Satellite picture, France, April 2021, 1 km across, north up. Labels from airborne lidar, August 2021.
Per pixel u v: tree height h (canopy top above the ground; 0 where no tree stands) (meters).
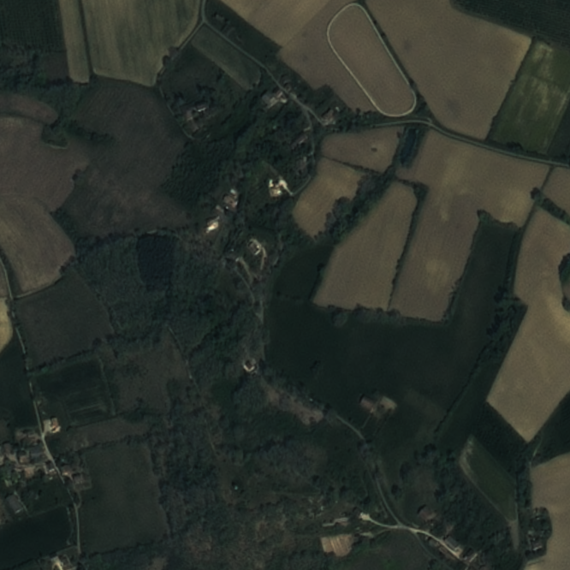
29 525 0
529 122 0
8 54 17
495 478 0
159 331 12
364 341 0
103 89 0
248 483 0
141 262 14
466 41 0
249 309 19
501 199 0
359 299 0
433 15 0
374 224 0
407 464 0
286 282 0
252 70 0
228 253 6
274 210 15
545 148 0
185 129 13
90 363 0
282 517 14
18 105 0
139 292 19
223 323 8
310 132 0
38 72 18
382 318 16
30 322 0
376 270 0
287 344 0
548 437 0
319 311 0
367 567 0
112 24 0
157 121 0
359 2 0
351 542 0
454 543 0
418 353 0
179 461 9
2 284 0
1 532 0
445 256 0
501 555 7
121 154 0
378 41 0
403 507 0
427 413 0
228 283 0
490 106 0
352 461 0
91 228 0
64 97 23
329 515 0
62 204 0
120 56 0
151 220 0
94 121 0
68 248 0
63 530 0
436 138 0
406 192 0
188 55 0
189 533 14
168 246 12
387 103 0
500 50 0
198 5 0
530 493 15
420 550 0
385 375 0
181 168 8
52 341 0
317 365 9
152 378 0
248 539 14
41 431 0
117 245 21
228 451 14
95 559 15
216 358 19
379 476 19
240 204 9
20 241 0
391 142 0
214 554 14
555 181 0
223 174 12
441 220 0
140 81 0
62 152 0
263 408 20
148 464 0
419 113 7
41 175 0
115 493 0
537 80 0
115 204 0
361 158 0
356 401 0
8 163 0
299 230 15
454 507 14
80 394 0
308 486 0
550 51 0
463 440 0
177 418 15
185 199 6
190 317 21
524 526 8
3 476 12
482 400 0
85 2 0
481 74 0
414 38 0
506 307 28
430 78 0
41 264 0
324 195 0
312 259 0
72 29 0
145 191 0
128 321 17
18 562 0
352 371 0
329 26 0
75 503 7
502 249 0
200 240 6
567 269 18
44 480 14
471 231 0
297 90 0
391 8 0
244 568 15
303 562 18
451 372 0
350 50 0
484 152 0
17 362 0
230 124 7
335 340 0
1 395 0
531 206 0
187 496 16
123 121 0
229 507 8
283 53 0
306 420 0
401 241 0
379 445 0
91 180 0
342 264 0
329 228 13
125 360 13
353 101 0
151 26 0
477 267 0
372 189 19
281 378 17
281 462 16
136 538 0
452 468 10
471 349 0
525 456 5
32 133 0
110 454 0
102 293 17
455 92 0
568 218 10
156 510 0
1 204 0
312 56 0
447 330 0
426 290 0
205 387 19
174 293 23
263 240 0
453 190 0
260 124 11
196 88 0
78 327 0
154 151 0
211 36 0
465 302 0
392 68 0
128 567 8
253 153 8
